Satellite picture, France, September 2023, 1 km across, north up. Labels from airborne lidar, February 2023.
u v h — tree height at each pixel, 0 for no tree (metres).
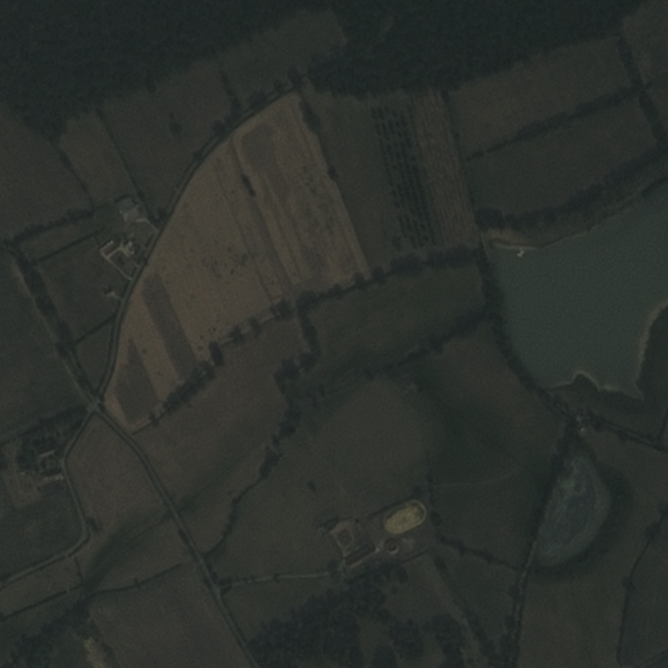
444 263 15
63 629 7
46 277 0
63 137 0
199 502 0
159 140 0
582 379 0
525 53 27
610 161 0
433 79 25
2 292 0
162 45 35
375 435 0
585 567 0
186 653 0
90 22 36
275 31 0
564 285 0
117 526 0
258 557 0
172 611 0
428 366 0
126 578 0
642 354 0
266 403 0
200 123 0
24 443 9
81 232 0
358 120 0
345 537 0
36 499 0
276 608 0
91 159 0
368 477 0
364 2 31
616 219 0
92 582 0
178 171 0
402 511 0
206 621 0
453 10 33
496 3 34
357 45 26
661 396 0
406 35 35
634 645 0
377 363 0
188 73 0
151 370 0
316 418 0
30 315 0
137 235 0
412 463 0
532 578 0
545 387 0
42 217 0
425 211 9
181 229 0
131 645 0
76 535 0
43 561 0
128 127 0
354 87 28
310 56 0
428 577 0
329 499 0
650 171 25
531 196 0
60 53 33
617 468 0
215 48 22
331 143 0
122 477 0
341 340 0
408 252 0
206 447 0
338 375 0
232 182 0
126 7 37
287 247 0
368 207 0
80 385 13
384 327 0
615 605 0
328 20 0
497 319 18
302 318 15
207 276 0
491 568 0
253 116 0
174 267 0
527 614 0
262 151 0
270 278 0
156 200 0
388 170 8
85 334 12
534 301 0
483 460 0
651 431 0
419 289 0
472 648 0
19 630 0
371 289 0
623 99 17
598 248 0
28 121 27
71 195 0
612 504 0
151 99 0
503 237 0
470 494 0
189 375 0
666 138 13
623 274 0
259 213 0
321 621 24
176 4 34
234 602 0
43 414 0
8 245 10
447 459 0
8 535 0
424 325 0
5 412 0
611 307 0
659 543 0
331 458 0
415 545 0
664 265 0
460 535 0
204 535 0
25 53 27
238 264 0
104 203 0
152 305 0
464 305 0
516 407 0
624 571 0
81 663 0
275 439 9
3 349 0
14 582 0
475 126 0
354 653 28
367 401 0
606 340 0
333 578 16
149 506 0
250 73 0
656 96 0
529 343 0
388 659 22
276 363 0
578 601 0
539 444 0
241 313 0
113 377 0
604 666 0
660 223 0
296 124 0
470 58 28
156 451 0
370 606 18
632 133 0
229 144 0
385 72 27
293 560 0
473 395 0
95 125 0
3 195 0
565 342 0
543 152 0
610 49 0
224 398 0
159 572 0
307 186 0
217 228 0
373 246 0
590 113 14
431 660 0
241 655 0
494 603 0
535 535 11
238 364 0
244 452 0
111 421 0
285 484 0
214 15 32
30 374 0
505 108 0
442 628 16
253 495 0
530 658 0
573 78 0
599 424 12
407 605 0
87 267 0
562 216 12
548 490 12
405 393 0
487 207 0
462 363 0
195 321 0
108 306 0
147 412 0
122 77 31
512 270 0
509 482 0
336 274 0
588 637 0
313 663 0
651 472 0
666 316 0
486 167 0
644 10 0
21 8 32
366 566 0
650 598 0
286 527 0
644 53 0
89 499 0
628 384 0
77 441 0
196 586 0
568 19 16
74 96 28
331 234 0
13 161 0
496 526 0
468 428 0
